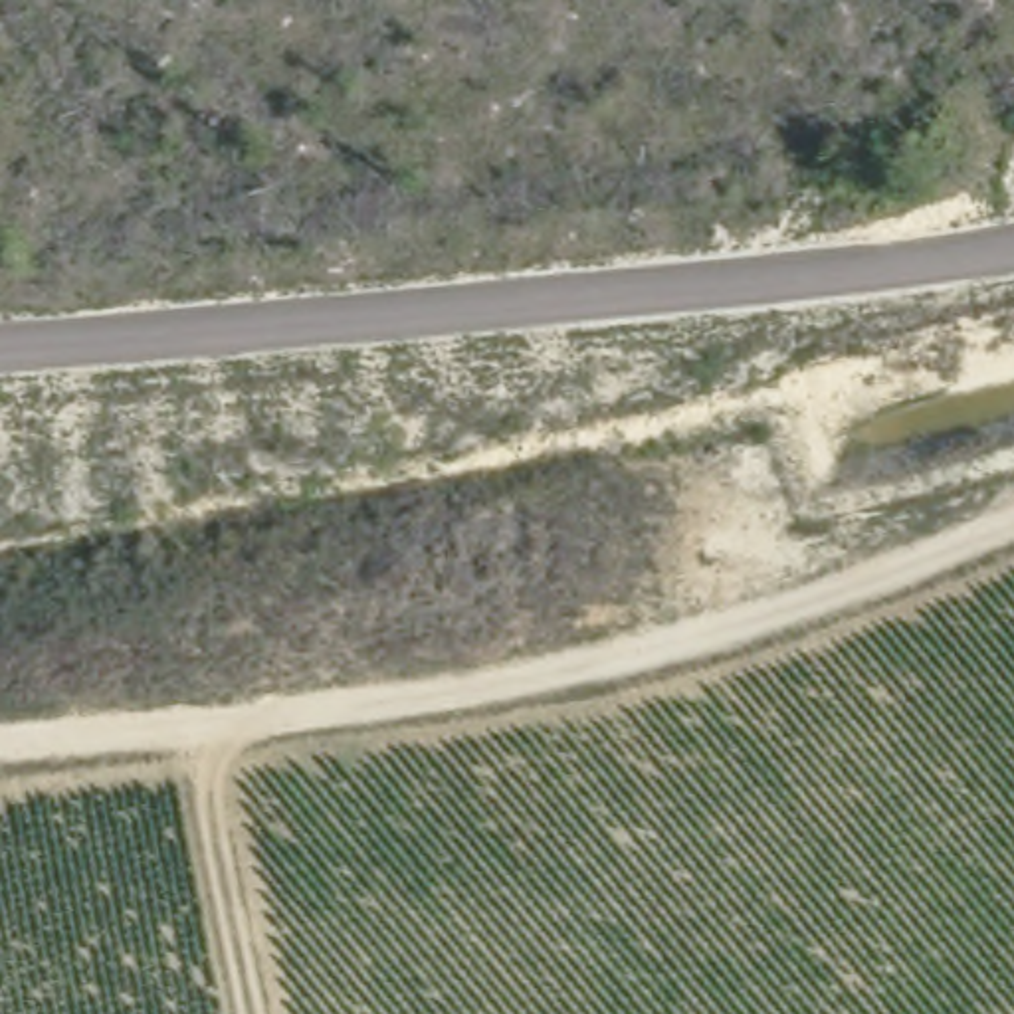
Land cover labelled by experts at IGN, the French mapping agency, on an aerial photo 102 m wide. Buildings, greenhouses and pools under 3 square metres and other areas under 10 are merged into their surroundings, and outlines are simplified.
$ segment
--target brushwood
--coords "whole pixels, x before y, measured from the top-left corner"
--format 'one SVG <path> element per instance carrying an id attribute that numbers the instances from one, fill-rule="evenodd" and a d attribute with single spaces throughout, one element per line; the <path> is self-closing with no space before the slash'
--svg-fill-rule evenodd
<path id="1" fill-rule="evenodd" d="M 444 503 L 444 511 L 456 511 L 463 519 L 467 511 L 499 503 L 523 487 L 543 487 L 551 479 L 570 475 L 598 479 L 602 463 L 586 448 L 535 456 L 527 463 L 467 471 L 452 479 L 412 479 L 376 491 L 345 491 L 321 499 L 281 495 L 250 511 L 218 511 L 210 519 L 143 527 L 131 535 L 95 531 L 63 547 L 24 547 L 0 555 L 0 654 L 12 654 L 24 642 L 40 642 L 48 634 L 51 642 L 67 646 L 67 661 L 55 665 L 59 677 L 123 669 L 123 693 L 131 701 L 143 685 L 147 665 L 162 665 L 162 626 L 198 626 L 198 646 L 206 646 L 214 626 L 254 618 L 277 642 L 285 614 L 309 610 L 309 598 L 337 598 L 388 574 L 396 562 L 392 535 L 412 535 L 412 515 L 420 507 Z"/>

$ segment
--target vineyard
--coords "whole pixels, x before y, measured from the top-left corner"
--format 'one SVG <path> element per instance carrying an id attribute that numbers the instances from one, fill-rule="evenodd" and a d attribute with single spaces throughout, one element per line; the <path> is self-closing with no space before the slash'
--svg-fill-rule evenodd
<path id="1" fill-rule="evenodd" d="M 0 780 L 0 1014 L 222 1014 L 214 998 L 214 963 L 190 867 L 186 820 L 178 788 L 170 784 L 178 772 L 174 753 L 123 749 L 87 757 L 91 768 L 83 772 Z"/>
<path id="2" fill-rule="evenodd" d="M 749 638 L 729 650 L 665 661 L 654 669 L 487 705 L 273 733 L 242 745 L 238 768 L 246 776 L 238 776 L 238 792 L 257 856 L 257 875 L 265 879 L 269 943 L 277 951 L 289 1014 L 1014 1014 L 1014 543 L 990 547 L 899 590 L 828 610 L 820 618 L 804 618 L 796 626 Z"/>

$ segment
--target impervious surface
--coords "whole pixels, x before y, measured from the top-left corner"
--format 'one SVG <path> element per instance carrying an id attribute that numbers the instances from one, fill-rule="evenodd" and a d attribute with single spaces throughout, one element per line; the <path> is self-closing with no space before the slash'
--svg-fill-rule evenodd
<path id="1" fill-rule="evenodd" d="M 349 349 L 364 341 L 384 341 L 388 349 L 412 345 L 416 337 L 456 337 L 463 345 L 475 337 L 527 337 L 527 329 L 558 321 L 574 321 L 574 329 L 614 329 L 665 321 L 669 313 L 689 309 L 729 309 L 761 301 L 780 305 L 804 297 L 875 293 L 1014 273 L 1014 222 L 887 246 L 800 250 L 697 265 L 606 273 L 586 269 L 515 281 L 499 273 L 483 285 L 396 293 L 384 281 L 376 281 L 368 293 L 353 297 L 329 297 L 325 289 L 317 289 L 317 297 L 277 297 L 265 305 L 202 305 L 194 297 L 162 313 L 107 317 L 107 309 L 91 309 L 91 317 L 55 313 L 51 321 L 0 325 L 0 372 L 75 364 L 139 368 L 143 360 L 186 364 L 190 356 L 218 356 L 218 364 L 230 364 L 261 349 L 273 349 L 281 356 L 285 349 L 309 345 Z"/>

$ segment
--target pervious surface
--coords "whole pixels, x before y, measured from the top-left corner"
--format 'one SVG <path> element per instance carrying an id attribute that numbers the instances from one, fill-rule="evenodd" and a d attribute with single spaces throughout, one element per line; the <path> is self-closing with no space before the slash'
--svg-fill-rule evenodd
<path id="1" fill-rule="evenodd" d="M 963 293 L 966 301 L 990 301 L 1014 289 L 1014 273 L 875 293 L 804 297 L 780 305 L 761 301 L 729 309 L 689 309 L 669 313 L 665 321 L 784 313 L 784 321 L 796 329 L 820 329 L 836 325 L 852 305 L 903 305 L 923 293 L 939 293 L 939 305 L 951 305 Z"/>
<path id="2" fill-rule="evenodd" d="M 376 491 L 412 479 L 452 479 L 467 471 L 527 463 L 535 456 L 586 448 L 622 448 L 665 432 L 681 436 L 697 428 L 729 428 L 733 420 L 761 420 L 772 428 L 764 444 L 717 448 L 713 456 L 681 459 L 681 495 L 673 499 L 681 527 L 677 562 L 693 598 L 701 598 L 701 618 L 511 665 L 487 665 L 471 673 L 436 673 L 317 693 L 269 693 L 234 705 L 166 705 L 63 713 L 44 721 L 0 721 L 0 761 L 87 757 L 123 749 L 174 753 L 178 772 L 170 784 L 178 788 L 186 820 L 190 867 L 214 963 L 214 998 L 222 1014 L 289 1014 L 277 951 L 269 943 L 265 879 L 257 875 L 257 856 L 238 792 L 238 776 L 246 776 L 238 768 L 242 745 L 273 733 L 487 705 L 654 669 L 665 661 L 729 650 L 749 638 L 796 626 L 804 618 L 820 618 L 828 610 L 899 590 L 990 547 L 1014 543 L 1014 487 L 1006 487 L 994 499 L 990 511 L 966 523 L 935 531 L 911 547 L 863 558 L 852 570 L 840 570 L 812 586 L 800 582 L 804 543 L 788 535 L 788 523 L 836 519 L 840 535 L 856 535 L 879 503 L 927 495 L 947 483 L 986 479 L 994 471 L 1014 467 L 1014 448 L 959 463 L 935 463 L 931 471 L 891 483 L 836 491 L 828 475 L 844 444 L 844 424 L 875 408 L 915 408 L 935 392 L 963 396 L 1014 380 L 1014 345 L 1006 345 L 1002 353 L 986 353 L 994 329 L 978 317 L 966 317 L 959 321 L 959 376 L 895 372 L 883 368 L 875 356 L 824 356 L 808 368 L 788 372 L 776 388 L 757 388 L 749 396 L 725 396 L 713 388 L 693 404 L 677 404 L 654 416 L 598 420 L 578 432 L 523 432 L 456 459 L 428 456 L 380 471 L 353 467 L 341 479 L 345 491 Z"/>

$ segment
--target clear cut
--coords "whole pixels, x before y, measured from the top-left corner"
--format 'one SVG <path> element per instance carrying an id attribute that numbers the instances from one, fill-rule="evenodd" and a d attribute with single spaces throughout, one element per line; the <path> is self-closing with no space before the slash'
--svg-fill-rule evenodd
<path id="1" fill-rule="evenodd" d="M 697 265 L 800 250 L 887 246 L 1014 222 L 1014 0 L 0 0 L 0 325 L 51 321 L 55 313 L 91 317 L 91 309 L 107 309 L 107 317 L 162 313 L 194 297 L 202 305 L 265 305 L 277 297 L 317 297 L 317 289 L 325 289 L 329 297 L 353 297 L 368 293 L 376 281 L 384 281 L 396 293 L 483 285 L 499 273 L 515 281 L 586 269 L 606 273 Z"/>

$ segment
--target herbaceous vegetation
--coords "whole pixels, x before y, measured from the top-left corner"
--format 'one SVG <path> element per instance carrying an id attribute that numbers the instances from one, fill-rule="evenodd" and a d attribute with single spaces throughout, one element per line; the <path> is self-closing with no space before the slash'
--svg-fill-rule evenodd
<path id="1" fill-rule="evenodd" d="M 91 768 L 87 757 L 0 761 L 0 780 L 83 772 Z"/>
<path id="2" fill-rule="evenodd" d="M 67 661 L 67 646 L 51 642 L 48 634 L 40 642 L 24 642 L 12 654 L 0 654 L 0 721 L 44 721 L 63 713 L 166 705 L 234 705 L 269 693 L 317 693 L 436 673 L 471 673 L 487 665 L 511 665 L 701 618 L 701 598 L 693 598 L 677 562 L 681 527 L 673 499 L 681 495 L 681 459 L 713 456 L 717 448 L 764 444 L 772 428 L 761 420 L 733 420 L 729 428 L 697 428 L 681 436 L 665 432 L 622 448 L 586 448 L 602 463 L 598 479 L 570 475 L 551 479 L 543 487 L 523 487 L 499 503 L 467 511 L 463 519 L 456 511 L 444 511 L 444 503 L 420 507 L 412 515 L 412 535 L 392 535 L 396 562 L 388 574 L 337 598 L 309 598 L 309 610 L 285 614 L 277 642 L 254 618 L 214 626 L 206 646 L 198 646 L 198 626 L 162 626 L 162 665 L 147 665 L 143 685 L 131 701 L 123 693 L 123 669 L 59 677 L 55 665 Z"/>
<path id="3" fill-rule="evenodd" d="M 927 436 L 844 444 L 828 475 L 836 491 L 891 483 L 931 471 L 935 463 L 959 463 L 1014 448 L 1014 416 L 1006 416 L 1002 424 L 986 424 L 982 432 L 970 424 L 955 424 Z"/>
<path id="4" fill-rule="evenodd" d="M 966 523 L 990 511 L 994 499 L 1006 487 L 1014 487 L 1014 467 L 994 471 L 986 479 L 947 483 L 927 495 L 879 503 L 856 535 L 840 535 L 836 519 L 788 523 L 788 535 L 804 543 L 800 582 L 812 586 L 840 570 L 852 570 L 863 558 L 911 547 L 935 531 Z"/>
<path id="5" fill-rule="evenodd" d="M 966 317 L 978 317 L 994 329 L 986 353 L 1002 353 L 1006 345 L 1014 345 L 1014 289 L 990 301 L 966 301 L 963 293 L 951 305 L 939 305 L 939 293 L 923 293 L 903 305 L 852 305 L 836 325 L 820 329 L 796 329 L 784 321 L 784 313 L 665 321 L 614 329 L 574 329 L 574 321 L 558 321 L 527 329 L 527 337 L 475 337 L 463 345 L 456 337 L 416 337 L 412 345 L 388 349 L 384 341 L 364 341 L 349 349 L 309 345 L 285 349 L 281 356 L 273 349 L 261 349 L 230 364 L 218 364 L 218 356 L 190 356 L 186 364 L 143 360 L 139 368 L 75 364 L 0 372 L 0 555 L 24 547 L 63 547 L 95 531 L 131 535 L 143 527 L 210 519 L 218 511 L 250 511 L 281 495 L 321 499 L 345 491 L 341 479 L 353 467 L 380 471 L 428 456 L 456 459 L 523 432 L 578 432 L 598 420 L 654 416 L 677 404 L 693 404 L 713 388 L 725 396 L 749 396 L 757 388 L 776 388 L 788 372 L 808 368 L 824 356 L 875 356 L 883 368 L 895 372 L 959 376 L 959 321 Z"/>

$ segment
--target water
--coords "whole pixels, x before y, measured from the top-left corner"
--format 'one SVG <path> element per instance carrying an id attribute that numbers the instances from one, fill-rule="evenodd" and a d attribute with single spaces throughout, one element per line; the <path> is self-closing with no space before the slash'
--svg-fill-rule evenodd
<path id="1" fill-rule="evenodd" d="M 927 436 L 955 424 L 970 424 L 982 432 L 986 424 L 1002 424 L 1006 416 L 1014 416 L 1014 380 L 963 396 L 935 392 L 915 408 L 875 408 L 844 424 L 844 444 Z"/>

